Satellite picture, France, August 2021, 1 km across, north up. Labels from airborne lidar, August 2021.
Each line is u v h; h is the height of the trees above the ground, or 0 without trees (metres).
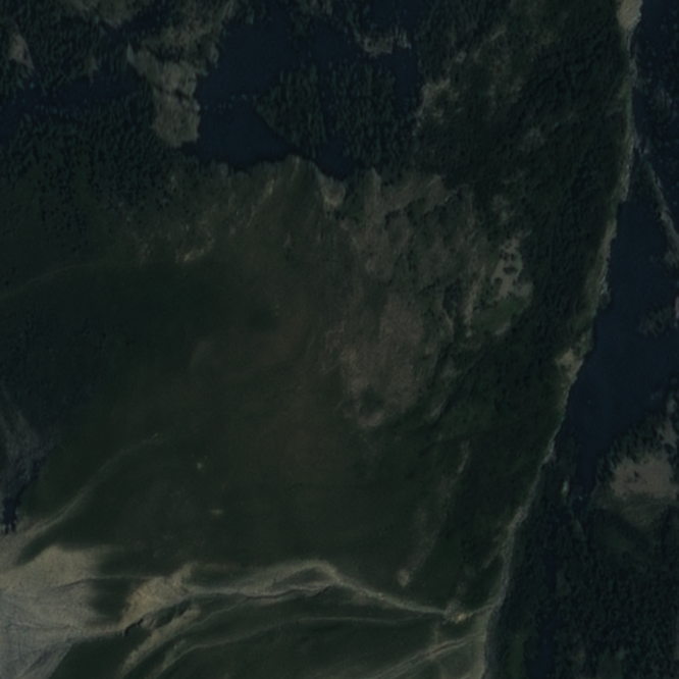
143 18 9
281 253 0
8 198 0
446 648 0
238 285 0
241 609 0
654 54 11
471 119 12
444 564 0
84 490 0
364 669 0
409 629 0
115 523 0
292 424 0
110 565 0
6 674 0
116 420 0
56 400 0
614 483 7
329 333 0
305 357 0
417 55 7
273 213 0
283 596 0
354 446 0
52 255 0
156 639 0
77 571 0
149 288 0
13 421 0
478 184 7
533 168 10
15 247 0
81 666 0
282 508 0
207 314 0
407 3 9
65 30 8
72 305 0
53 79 17
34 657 0
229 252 0
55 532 0
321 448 0
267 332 0
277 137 8
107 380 0
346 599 0
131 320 0
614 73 11
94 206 0
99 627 0
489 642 0
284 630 0
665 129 10
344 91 9
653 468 0
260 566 0
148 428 0
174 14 22
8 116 17
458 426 0
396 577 0
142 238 0
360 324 0
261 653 0
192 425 0
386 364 0
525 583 6
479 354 9
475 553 8
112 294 0
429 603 0
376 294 0
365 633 0
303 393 0
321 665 0
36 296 0
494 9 7
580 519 8
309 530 0
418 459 0
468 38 15
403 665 0
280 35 12
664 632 14
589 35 8
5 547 0
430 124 8
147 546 0
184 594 0
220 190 0
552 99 11
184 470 0
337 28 10
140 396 0
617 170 15
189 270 0
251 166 23
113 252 0
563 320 12
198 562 0
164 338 0
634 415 7
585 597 6
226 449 0
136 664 0
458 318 6
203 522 0
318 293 0
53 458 0
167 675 0
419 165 8
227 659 0
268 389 0
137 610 0
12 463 0
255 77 0
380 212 0
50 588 0
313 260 0
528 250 6
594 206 13
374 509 0
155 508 0
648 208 7
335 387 0
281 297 0
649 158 0
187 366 0
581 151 6
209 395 0
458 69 7
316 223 0
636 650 16
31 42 18
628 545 0
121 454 0
